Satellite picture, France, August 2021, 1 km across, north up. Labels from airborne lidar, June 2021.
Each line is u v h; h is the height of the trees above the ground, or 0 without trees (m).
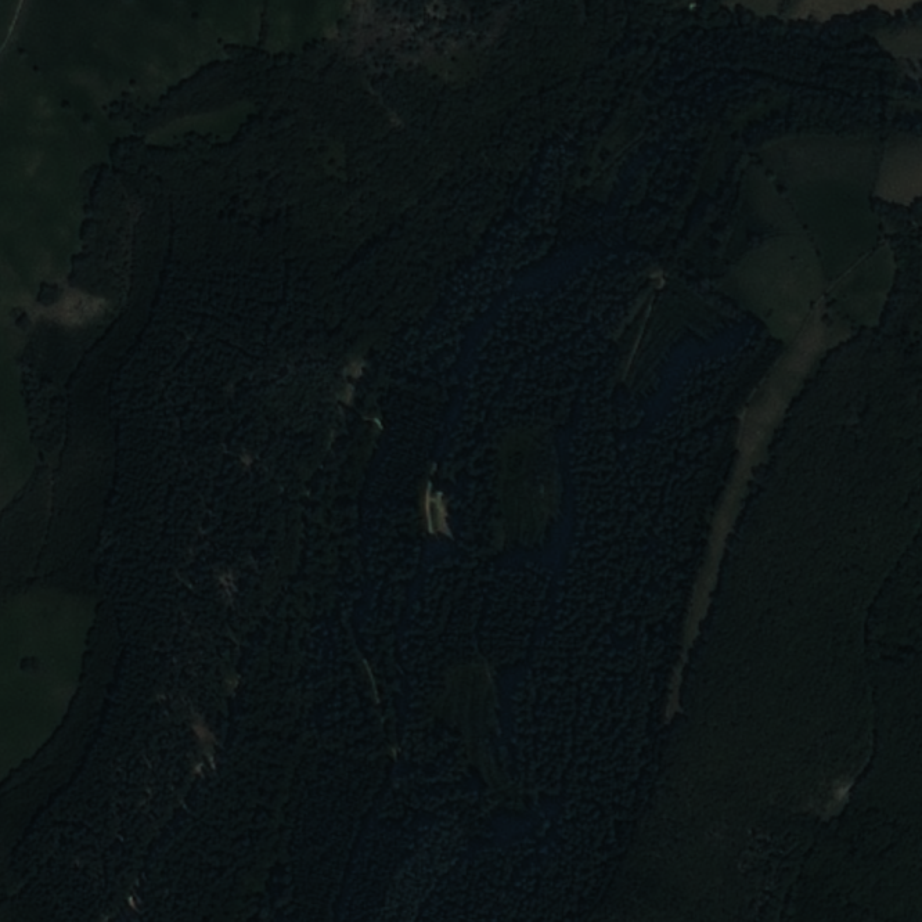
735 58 19
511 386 35
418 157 18
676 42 10
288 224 24
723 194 9
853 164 0
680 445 33
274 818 36
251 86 11
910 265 12
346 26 7
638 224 17
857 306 0
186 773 35
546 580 23
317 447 30
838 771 8
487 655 24
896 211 13
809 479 21
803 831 23
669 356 0
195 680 37
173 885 37
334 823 18
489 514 34
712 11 16
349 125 19
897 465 23
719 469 11
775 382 0
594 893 25
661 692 22
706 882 10
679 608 23
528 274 0
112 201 16
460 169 17
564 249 17
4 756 0
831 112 17
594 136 19
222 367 29
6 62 0
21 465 0
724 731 17
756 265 0
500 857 29
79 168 0
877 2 0
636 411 34
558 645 40
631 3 28
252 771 28
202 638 38
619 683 31
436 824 27
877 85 17
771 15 0
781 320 0
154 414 30
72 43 0
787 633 25
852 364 17
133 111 10
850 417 22
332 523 21
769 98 12
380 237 12
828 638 22
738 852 12
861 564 17
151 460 33
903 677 31
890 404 26
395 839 23
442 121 22
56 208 0
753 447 0
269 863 21
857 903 11
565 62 23
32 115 0
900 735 24
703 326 0
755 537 20
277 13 0
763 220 0
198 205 24
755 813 15
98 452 6
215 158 23
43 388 22
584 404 31
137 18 0
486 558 19
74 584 10
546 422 32
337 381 29
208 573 36
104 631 10
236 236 27
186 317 29
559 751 38
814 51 25
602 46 12
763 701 19
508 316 37
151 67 0
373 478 17
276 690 37
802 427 17
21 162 0
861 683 25
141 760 40
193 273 23
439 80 14
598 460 39
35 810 14
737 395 12
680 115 18
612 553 45
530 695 39
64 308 0
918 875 22
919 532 13
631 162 0
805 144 0
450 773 42
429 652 42
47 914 27
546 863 42
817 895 18
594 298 28
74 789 25
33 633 0
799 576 23
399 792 8
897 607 30
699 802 11
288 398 21
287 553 17
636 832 17
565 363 33
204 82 16
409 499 17
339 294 26
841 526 23
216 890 33
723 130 17
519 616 26
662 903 11
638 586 35
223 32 0
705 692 19
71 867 28
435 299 29
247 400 35
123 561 32
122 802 38
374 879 22
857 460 21
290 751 31
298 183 23
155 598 30
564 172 34
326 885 16
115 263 13
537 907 37
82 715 11
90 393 12
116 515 30
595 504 34
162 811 33
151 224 10
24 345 0
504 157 27
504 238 28
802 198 0
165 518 37
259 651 37
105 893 33
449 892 33
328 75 21
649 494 34
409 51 10
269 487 40
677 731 15
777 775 11
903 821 20
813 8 0
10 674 0
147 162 20
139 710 33
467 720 0
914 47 0
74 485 7
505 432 39
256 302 35
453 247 22
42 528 8
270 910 15
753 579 22
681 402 33
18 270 0
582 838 36
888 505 23
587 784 36
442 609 38
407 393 19
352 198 12
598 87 30
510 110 19
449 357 29
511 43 17
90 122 15
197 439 25
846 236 0
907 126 14
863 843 14
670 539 36
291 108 9
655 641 33
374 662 39
